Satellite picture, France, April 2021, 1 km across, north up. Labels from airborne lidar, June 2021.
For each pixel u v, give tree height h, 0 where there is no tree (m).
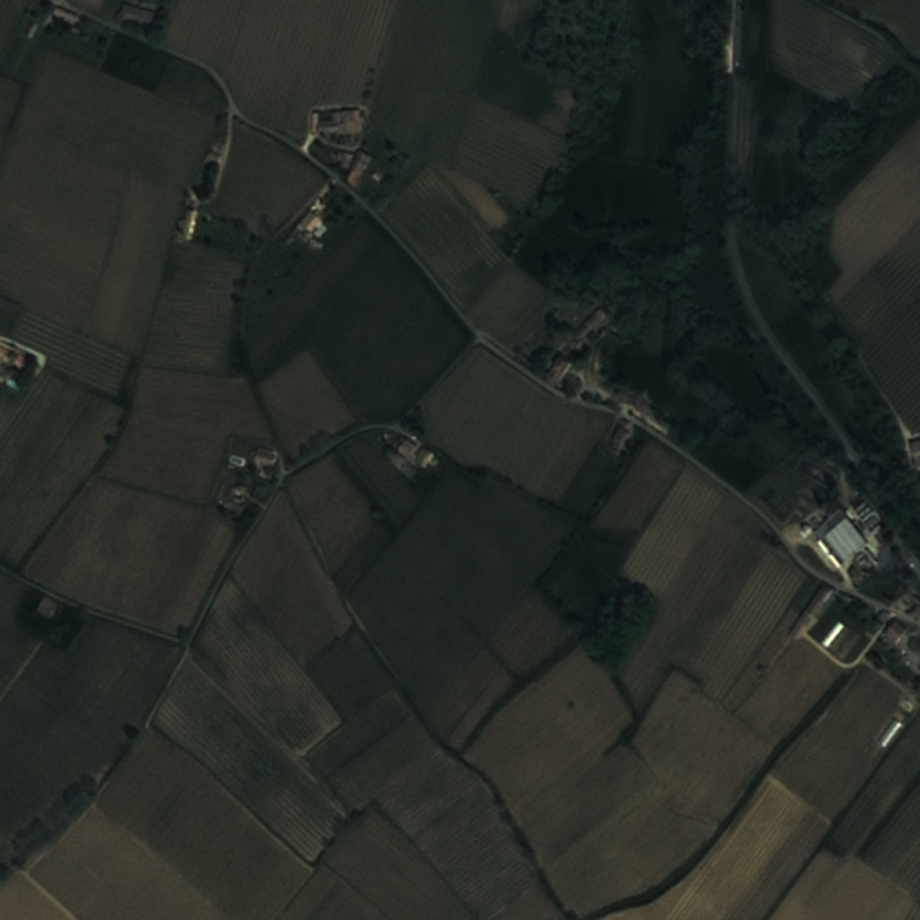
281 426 0
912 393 0
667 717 0
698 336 17
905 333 0
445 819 0
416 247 0
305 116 0
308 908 0
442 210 0
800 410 0
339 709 0
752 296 0
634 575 0
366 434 0
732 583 0
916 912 0
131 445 0
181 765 0
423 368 0
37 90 0
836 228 0
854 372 12
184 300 0
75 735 0
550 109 0
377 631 0
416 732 0
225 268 0
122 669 0
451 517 0
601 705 0
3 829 0
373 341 0
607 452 0
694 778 0
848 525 0
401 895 0
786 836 0
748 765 0
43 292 0
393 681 0
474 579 0
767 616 0
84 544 0
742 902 0
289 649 0
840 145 17
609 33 14
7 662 0
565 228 0
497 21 0
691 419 0
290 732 0
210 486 0
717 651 0
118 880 0
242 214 0
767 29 0
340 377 0
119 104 0
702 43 23
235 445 0
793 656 0
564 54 14
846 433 0
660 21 0
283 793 0
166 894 0
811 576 0
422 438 12
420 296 0
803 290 11
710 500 0
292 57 0
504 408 0
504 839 0
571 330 11
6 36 0
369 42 0
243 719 0
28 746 0
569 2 14
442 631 0
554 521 0
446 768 0
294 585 0
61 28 17
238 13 0
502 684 0
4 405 0
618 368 0
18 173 0
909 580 15
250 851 0
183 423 0
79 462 0
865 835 0
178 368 0
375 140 0
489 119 0
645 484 0
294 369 0
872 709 0
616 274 26
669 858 0
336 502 0
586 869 0
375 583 0
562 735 0
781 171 0
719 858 0
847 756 0
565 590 0
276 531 0
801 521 0
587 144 10
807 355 0
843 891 0
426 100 0
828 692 0
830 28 0
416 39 0
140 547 0
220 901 0
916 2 0
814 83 0
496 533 0
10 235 0
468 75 0
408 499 0
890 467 9
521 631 0
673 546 0
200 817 0
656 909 0
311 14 0
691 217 7
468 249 0
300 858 0
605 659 19
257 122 0
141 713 0
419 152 0
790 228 24
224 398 0
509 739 0
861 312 0
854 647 0
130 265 0
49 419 0
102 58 7
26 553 0
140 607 0
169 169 0
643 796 0
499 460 0
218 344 0
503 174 0
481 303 0
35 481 0
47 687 0
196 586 0
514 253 8
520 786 0
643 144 0
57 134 0
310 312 0
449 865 0
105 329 0
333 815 0
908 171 0
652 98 0
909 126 0
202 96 0
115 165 0
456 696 0
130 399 0
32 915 0
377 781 0
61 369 0
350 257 0
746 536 0
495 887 0
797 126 0
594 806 0
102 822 0
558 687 0
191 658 0
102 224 0
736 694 0
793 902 0
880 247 0
